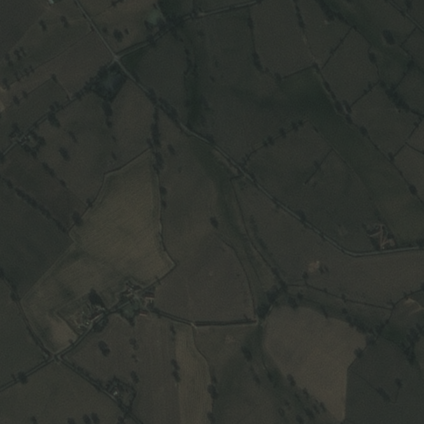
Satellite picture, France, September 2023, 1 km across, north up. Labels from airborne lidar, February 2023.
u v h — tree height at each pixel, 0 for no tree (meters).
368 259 0
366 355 0
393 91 9
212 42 0
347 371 0
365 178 0
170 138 0
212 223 13
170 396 0
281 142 0
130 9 0
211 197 0
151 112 0
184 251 0
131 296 0
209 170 0
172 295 0
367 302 10
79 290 0
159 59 0
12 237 0
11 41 0
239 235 0
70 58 0
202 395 0
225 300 0
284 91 0
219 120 0
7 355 0
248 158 11
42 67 0
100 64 0
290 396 0
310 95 0
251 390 0
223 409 0
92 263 0
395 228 0
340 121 0
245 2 0
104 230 0
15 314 0
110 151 0
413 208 0
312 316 0
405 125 0
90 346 0
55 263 0
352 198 0
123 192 0
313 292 0
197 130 0
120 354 0
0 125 0
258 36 0
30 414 0
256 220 0
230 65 0
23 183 0
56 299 0
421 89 0
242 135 0
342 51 0
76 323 0
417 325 0
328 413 0
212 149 0
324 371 0
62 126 0
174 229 0
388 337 0
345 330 0
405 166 0
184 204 0
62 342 0
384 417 0
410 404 0
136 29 0
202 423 0
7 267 0
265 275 0
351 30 0
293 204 0
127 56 0
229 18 0
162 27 21
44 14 0
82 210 0
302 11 0
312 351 0
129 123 0
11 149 0
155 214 0
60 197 0
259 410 0
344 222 0
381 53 0
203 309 0
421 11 0
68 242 0
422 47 0
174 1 0
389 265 0
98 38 0
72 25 0
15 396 0
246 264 0
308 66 0
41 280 0
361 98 0
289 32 0
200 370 0
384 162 0
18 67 0
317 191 0
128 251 0
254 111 0
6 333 0
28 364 0
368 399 0
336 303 0
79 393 0
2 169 0
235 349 0
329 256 0
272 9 0
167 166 0
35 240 0
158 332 0
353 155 0
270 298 19
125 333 0
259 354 0
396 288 0
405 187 0
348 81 0
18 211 0
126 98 0
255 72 0
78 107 0
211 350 0
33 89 0
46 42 0
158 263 0
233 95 0
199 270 0
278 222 0
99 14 0
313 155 0
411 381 0
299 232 0
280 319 0
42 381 0
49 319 0
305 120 0
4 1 0
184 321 0
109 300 0
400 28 0
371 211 0
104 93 8
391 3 0
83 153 0
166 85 0
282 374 0
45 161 0
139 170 0
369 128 0
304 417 0
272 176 0
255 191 0
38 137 10
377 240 0
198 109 0
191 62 8
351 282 0
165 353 0
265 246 0
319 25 0
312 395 0
